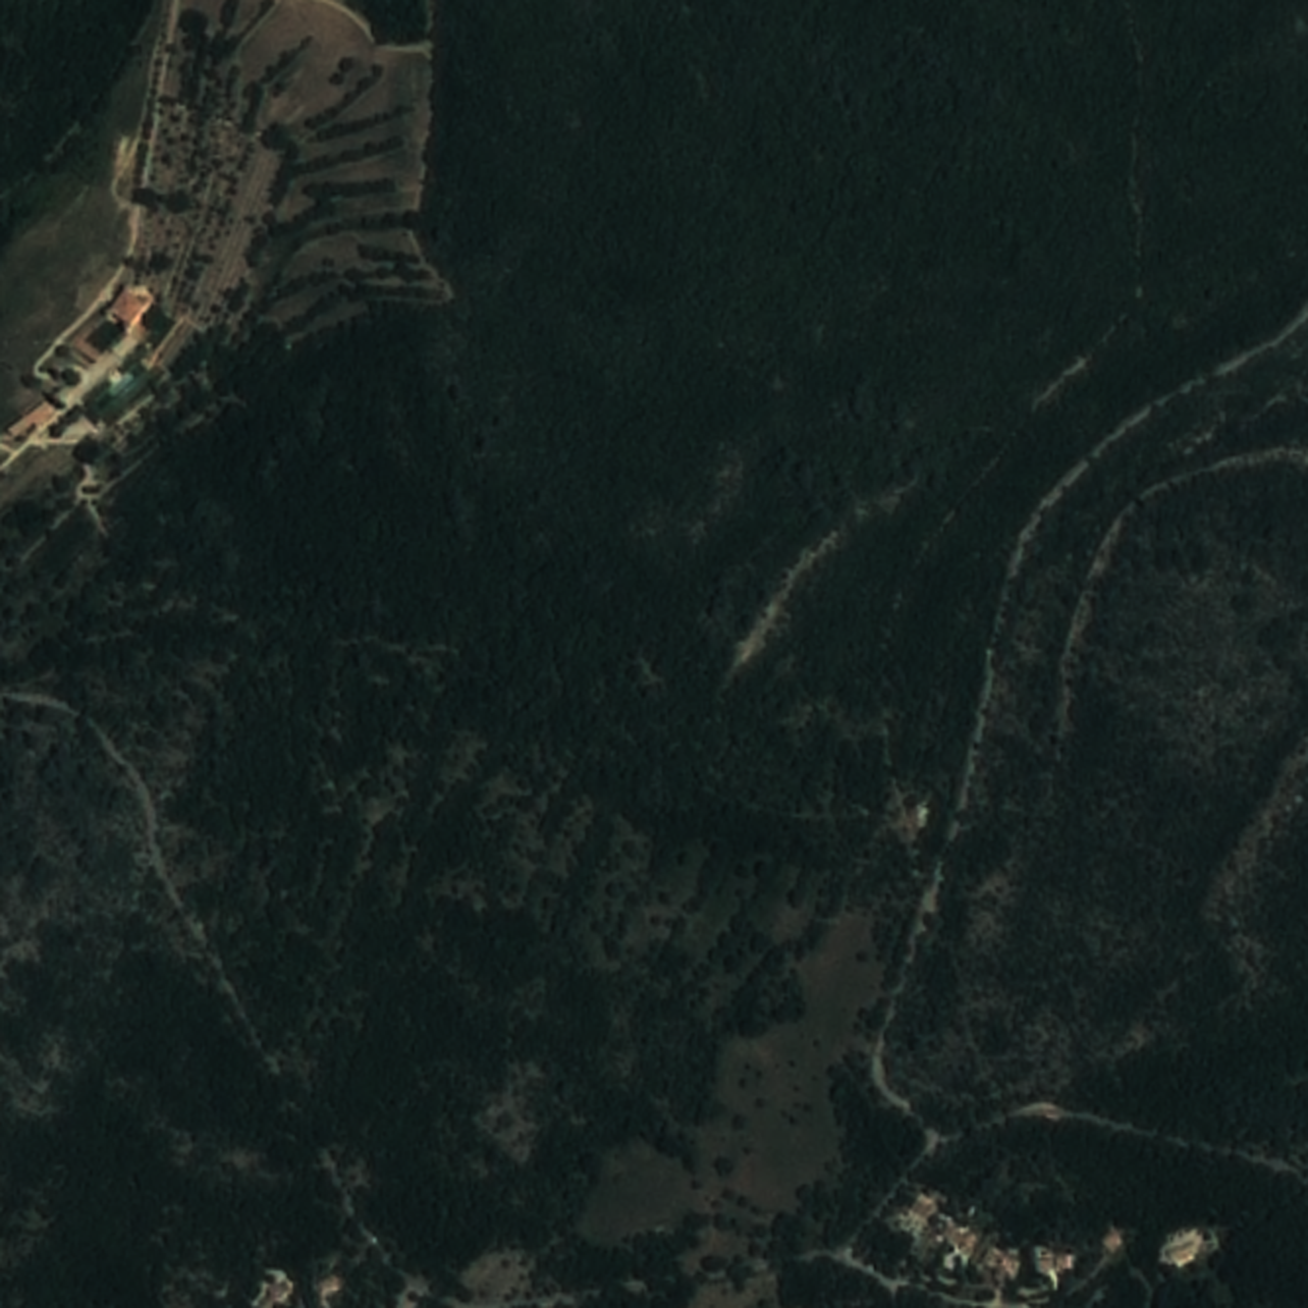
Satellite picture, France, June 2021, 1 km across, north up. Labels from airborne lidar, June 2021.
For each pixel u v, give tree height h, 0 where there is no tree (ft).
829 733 34
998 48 18
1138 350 25
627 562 28
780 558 26
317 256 0
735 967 52
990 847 23
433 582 24
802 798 27
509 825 20
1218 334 28
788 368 24
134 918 23
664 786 24
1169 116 25
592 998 25
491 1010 21
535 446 22
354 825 29
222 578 25
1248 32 18
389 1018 30
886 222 20
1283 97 26
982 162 30
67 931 26
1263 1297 32
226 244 0
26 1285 40
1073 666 25
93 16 43
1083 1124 34
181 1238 30
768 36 21
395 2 21
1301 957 19
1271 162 25
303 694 37
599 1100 22
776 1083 0
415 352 30
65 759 60
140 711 38
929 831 35
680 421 30
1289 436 28
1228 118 22
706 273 30
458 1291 26
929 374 18
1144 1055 32
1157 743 20
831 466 28
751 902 22
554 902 25
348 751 31
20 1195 28
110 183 0
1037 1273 20
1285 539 19
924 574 26
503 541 47
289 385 36
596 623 33
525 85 27
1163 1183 32
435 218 22
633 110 31
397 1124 36
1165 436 19
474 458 21
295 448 39
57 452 0
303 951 32
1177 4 25
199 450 36
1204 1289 43
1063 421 19
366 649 38
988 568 30
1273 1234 31
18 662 18
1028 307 25
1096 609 18
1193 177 21
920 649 25
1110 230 24
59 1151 44
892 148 19
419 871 35
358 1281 28
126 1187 36
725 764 30
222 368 39
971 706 34
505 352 19
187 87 25
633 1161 0
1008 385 19
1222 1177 32
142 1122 25
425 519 30
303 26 0
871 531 19
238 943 44
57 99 22
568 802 29
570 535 33
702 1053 20
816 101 26
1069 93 22
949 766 20
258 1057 34
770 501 19
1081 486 28
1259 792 19
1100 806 19
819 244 23
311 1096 29
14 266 0
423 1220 34
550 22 20
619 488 40
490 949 24
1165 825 22
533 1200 30
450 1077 26
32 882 20
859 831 20
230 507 26
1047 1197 27
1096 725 21
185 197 38
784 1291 34
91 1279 45
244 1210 37
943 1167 21
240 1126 27
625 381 28
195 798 34
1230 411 22
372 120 26
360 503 29
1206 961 21
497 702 54
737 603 21
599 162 19
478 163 28
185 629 20
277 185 42
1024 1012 17
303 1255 31
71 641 49
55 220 0
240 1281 22
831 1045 0
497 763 42
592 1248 35
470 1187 23
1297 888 25
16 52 28
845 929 0
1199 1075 35
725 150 18
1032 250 17
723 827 30
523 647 43
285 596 31
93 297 0
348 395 35
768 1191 0
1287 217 19
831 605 19
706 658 38
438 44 21
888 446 37
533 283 19
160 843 24
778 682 19
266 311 24
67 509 24
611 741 35
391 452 23
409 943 29
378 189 28
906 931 31
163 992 26
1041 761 22
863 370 29
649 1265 37
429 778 26
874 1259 27
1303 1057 40
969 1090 20
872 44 32
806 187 29
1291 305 19
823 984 0
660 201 26
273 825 32
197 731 23
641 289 26
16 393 0
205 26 38
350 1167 20
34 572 30
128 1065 40
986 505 25
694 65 22
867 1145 34
